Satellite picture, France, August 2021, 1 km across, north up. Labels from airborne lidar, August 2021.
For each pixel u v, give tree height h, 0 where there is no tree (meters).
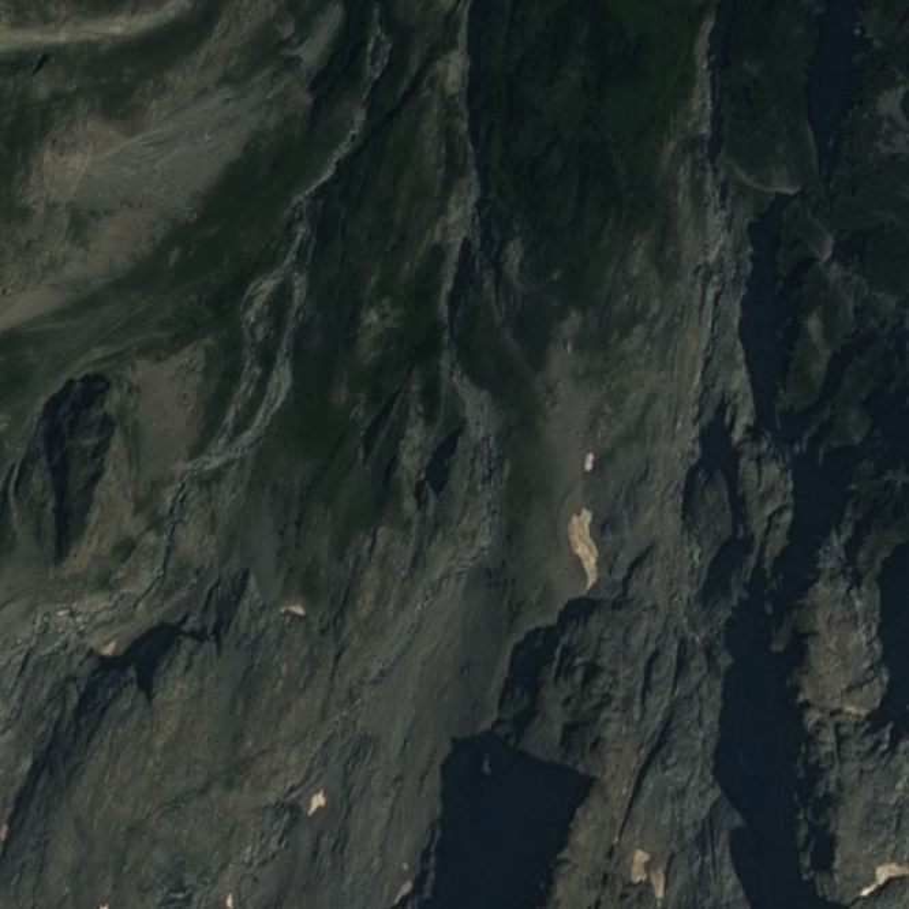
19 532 0
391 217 0
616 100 0
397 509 0
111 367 0
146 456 0
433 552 0
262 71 0
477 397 0
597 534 0
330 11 0
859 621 0
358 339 0
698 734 0
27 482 0
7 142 0
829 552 0
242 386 0
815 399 0
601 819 0
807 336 0
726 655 0
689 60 0
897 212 0
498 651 0
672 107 0
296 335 0
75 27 0
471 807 0
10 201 0
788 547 0
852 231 0
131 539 0
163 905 0
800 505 0
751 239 0
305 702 0
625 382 0
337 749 0
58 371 0
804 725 0
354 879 0
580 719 0
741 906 0
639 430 0
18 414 0
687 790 0
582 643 0
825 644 0
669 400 0
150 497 0
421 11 0
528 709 0
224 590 0
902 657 0
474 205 0
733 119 0
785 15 0
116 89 0
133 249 0
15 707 0
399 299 0
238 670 0
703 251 0
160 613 0
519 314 0
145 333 0
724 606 0
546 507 0
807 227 0
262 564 0
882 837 0
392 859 0
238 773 0
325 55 0
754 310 0
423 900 0
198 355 0
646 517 0
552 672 0
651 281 0
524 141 0
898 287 0
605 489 0
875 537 0
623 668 0
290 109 0
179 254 0
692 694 0
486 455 0
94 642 0
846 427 0
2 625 0
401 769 0
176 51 0
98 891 0
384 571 0
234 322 0
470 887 0
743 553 0
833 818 0
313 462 0
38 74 0
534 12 0
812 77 0
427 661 0
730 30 7
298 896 0
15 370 0
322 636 0
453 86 0
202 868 0
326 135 0
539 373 0
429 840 0
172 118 0
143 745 0
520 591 0
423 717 0
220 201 0
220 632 0
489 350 0
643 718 0
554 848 0
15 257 0
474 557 0
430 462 0
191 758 0
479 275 0
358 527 0
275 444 0
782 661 0
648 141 0
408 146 0
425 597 0
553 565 0
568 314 0
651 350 0
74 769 0
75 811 0
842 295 0
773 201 0
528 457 0
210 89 0
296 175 0
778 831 0
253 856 0
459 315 0
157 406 0
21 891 0
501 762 0
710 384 0
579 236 0
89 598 0
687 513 0
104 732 0
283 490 0
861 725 0
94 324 0
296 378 0
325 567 0
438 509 0
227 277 0
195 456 0
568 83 0
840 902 0
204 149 0
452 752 0
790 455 0
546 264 0
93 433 0
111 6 0
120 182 0
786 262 0
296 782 0
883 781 0
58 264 0
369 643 0
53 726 0
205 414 0
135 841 0
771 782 0
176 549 0
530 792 0
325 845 0
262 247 0
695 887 0
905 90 0
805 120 0
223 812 0
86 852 0
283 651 0
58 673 0
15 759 0
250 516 0
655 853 0
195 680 0
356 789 0
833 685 0
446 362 0
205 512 0
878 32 0
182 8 0
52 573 0
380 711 0
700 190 0
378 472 0
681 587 0
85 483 0
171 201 0
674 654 0
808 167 0
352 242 0
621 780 0
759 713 0
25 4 0
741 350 0
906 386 0
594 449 0
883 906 0
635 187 0
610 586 0
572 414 0
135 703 0
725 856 0
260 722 0
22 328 0
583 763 0
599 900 0
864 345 0
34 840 0
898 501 0
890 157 0
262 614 0
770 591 0
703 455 0
